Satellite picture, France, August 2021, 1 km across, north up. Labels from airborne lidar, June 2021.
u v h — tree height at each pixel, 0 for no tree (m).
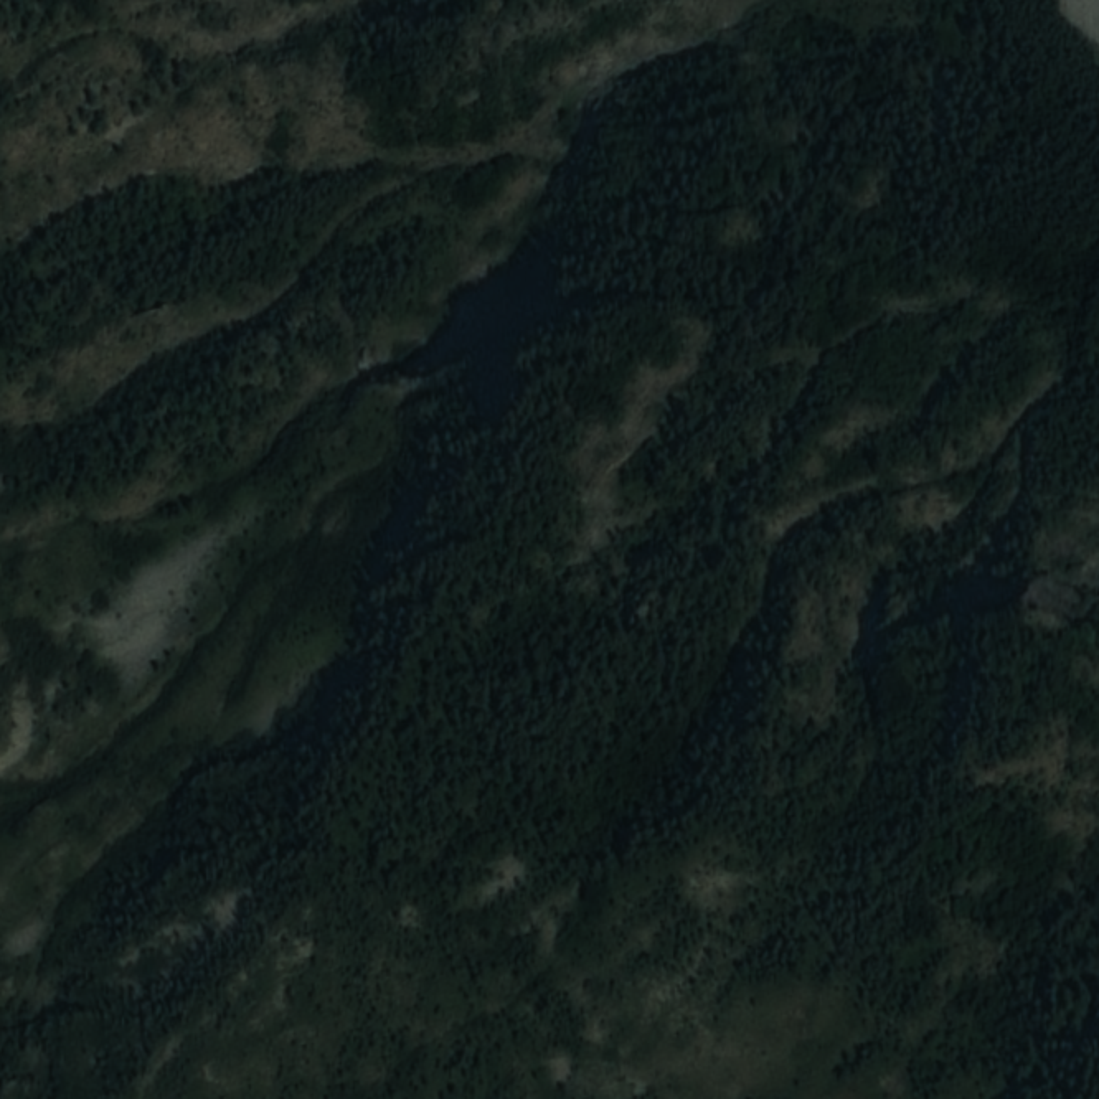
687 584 30
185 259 15
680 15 7
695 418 34
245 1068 0
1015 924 10
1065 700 14
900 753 8
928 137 9
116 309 6
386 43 22
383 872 7
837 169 34
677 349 10
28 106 8
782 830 9
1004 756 23
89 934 7
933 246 36
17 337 12
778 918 8
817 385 8
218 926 0
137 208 32
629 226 15
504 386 12
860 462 11
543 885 9
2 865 0
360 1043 8
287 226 35
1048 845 8
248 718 0
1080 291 11
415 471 7
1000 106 14
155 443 24
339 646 0
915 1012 10
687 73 8
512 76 6
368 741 13
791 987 0
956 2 10
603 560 7
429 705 11
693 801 8
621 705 16
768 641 23
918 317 12
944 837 12
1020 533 16
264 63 10
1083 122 18
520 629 18
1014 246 19
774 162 16
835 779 10
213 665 0
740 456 7
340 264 6
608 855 8
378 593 30
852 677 17
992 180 24
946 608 15
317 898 13
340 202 23
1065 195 18
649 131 15
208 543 0
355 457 0
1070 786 6
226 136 0
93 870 6
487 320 7
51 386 8
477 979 16
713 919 6
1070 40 15
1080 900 9
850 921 20
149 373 7
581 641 17
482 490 7
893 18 9
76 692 6
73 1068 0
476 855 7
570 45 7
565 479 20
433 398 11
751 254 15
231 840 22
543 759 32
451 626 10
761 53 7
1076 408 13
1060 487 7
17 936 0
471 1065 18
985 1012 12
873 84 20
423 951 8
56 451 15
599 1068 0
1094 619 11
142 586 0
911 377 5
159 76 23
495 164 13
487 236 8
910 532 8
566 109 17
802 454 8
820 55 7
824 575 9
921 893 6
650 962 14
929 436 15
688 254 34
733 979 6
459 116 15
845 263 17
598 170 7
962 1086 0
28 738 0
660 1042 0
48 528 0
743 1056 0
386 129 8
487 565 9
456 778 9
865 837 9
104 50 0
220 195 8
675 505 10
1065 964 7
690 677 36
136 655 0
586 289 14
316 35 6
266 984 0
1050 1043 18
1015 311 7
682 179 34
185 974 7
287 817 7
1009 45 30
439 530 10
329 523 0
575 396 12
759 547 12
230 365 18
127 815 0
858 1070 8
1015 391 7
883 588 23
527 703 30
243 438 6
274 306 6
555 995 7
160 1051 0
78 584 0
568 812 9
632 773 12
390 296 37
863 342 16
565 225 8
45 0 13
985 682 7
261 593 0
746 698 10
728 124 32
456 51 6
